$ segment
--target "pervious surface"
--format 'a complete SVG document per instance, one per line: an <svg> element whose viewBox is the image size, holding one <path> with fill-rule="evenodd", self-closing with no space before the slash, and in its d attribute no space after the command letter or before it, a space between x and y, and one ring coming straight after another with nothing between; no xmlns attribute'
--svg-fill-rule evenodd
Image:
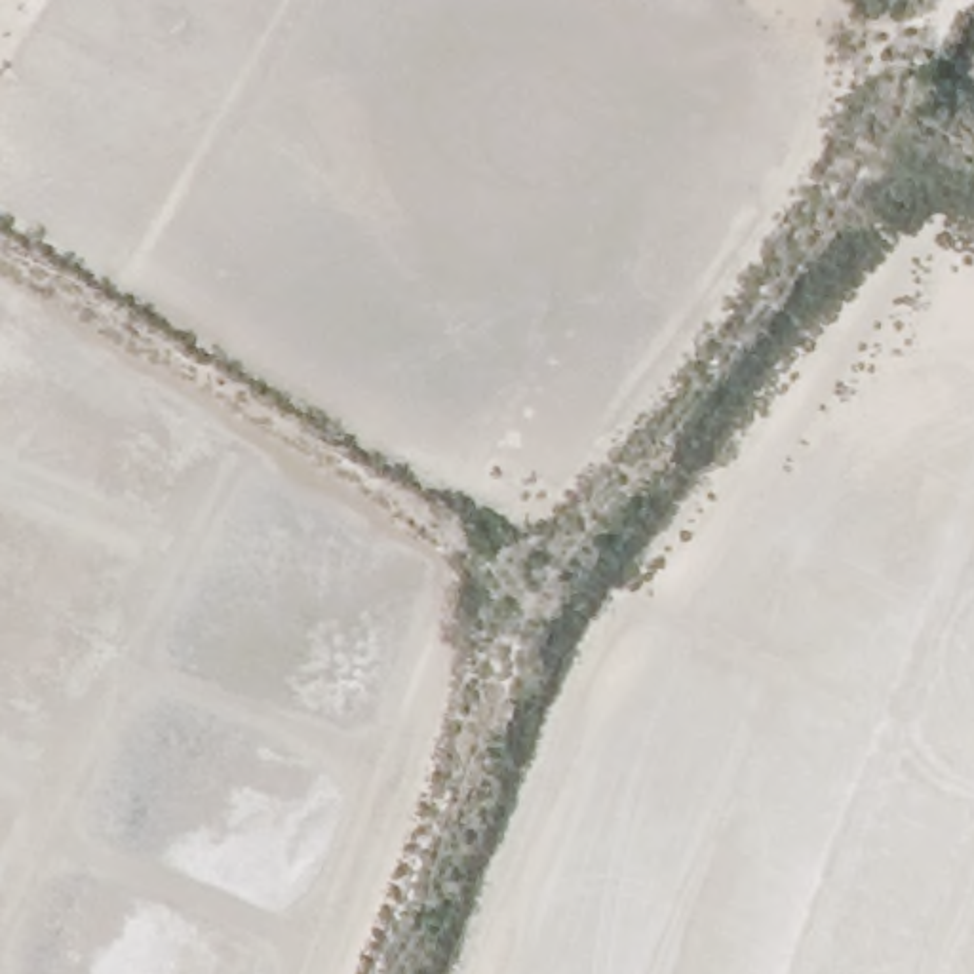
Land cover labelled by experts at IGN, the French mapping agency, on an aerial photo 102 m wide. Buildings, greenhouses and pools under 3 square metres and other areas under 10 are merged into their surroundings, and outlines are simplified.
<svg viewBox="0 0 974 974"><path fill-rule="evenodd" d="M358 974L407 833L419 826L419 799L434 776L434 757L453 692L453 647L426 616L411 609L415 594L422 590L422 563L396 555L399 540L373 533L361 510L297 487L278 468L278 460L266 449L259 449L247 434L232 434L198 399L183 396L167 380L156 380L152 373L137 373L129 365L129 354L118 354L107 342L88 342L80 327L53 320L38 297L0 278L0 974Z"/></svg>
<svg viewBox="0 0 974 974"><path fill-rule="evenodd" d="M963 251L947 251L936 244L944 232L940 213L928 217L917 232L898 236L890 251L860 282L856 297L841 304L837 320L818 331L818 346L795 350L791 361L799 369L799 380L784 396L772 396L769 415L753 419L746 430L734 430L734 457L727 464L711 464L708 472L700 472L696 487L681 498L670 525L643 548L643 586L613 590L601 613L582 632L559 696L544 715L536 753L517 788L517 807L483 871L476 913L468 917L464 944L449 974L974 974L974 263Z"/></svg>
<svg viewBox="0 0 974 974"><path fill-rule="evenodd" d="M761 263L765 240L780 232L784 209L799 202L803 186L810 186L810 167L826 145L822 122L829 114L841 114L845 95L852 91L848 61L826 65L826 49L833 46L837 27L852 11L848 0L0 0L0 213L8 213L23 232L46 228L46 240L57 251L76 255L99 278L110 278L118 289L137 293L175 327L194 331L205 350L224 350L228 358L244 361L255 377L282 388L293 403L327 411L365 449L377 449L388 460L407 464L430 487L464 491L479 506L491 506L495 514L517 525L552 517L567 491L578 487L586 468L605 464L613 449L628 441L643 415L658 411L666 396L673 396L681 365L696 358L696 346L708 342L704 327L727 320L727 301L738 297L742 274Z"/></svg>

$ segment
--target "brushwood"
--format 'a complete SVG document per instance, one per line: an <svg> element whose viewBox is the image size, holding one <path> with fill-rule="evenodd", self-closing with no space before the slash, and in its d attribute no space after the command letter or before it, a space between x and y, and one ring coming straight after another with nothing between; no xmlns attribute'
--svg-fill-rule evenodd
<svg viewBox="0 0 974 974"><path fill-rule="evenodd" d="M498 731L487 746L491 772L498 776L498 803L479 814L483 829L464 833L468 856L453 867L460 890L449 902L438 902L434 909L415 909L415 928L430 932L434 940L430 963L415 974L449 974L464 944L468 917L476 913L483 871L517 807L517 788L536 753L544 715L559 696L582 632L601 613L613 590L643 586L643 548L670 525L681 498L696 487L700 472L708 472L711 464L727 464L734 457L734 430L746 430L753 419L757 388L776 377L776 361L791 361L795 350L818 346L818 331L837 320L841 304L856 297L860 282L890 251L875 232L837 232L833 244L814 259L814 266L795 278L791 297L780 304L780 312L772 312L757 342L742 350L738 365L723 373L715 392L700 396L696 419L677 438L670 468L654 472L639 495L632 495L616 514L605 517L597 533L597 563L590 567L571 559L559 575L563 605L548 620L548 632L536 647L540 681L521 700L514 700L510 727Z"/></svg>
<svg viewBox="0 0 974 974"><path fill-rule="evenodd" d="M8 213L0 213L0 232L19 251L46 259L49 266L84 282L103 301L126 308L133 320L145 320L152 331L179 342L186 358L213 365L228 380L251 388L285 419L316 430L320 441L342 449L373 476L399 483L426 506L457 514L468 544L449 555L449 567L460 582L453 613L468 628L498 635L506 620L517 613L517 597L491 597L491 575L476 575L487 555L495 559L498 548L517 540L517 525L495 514L491 506L479 506L464 491L430 487L407 464L388 460L377 449L365 449L327 411L293 403L282 388L255 377L244 361L228 358L224 350L205 350L194 331L175 327L137 293L118 289L110 278L99 278L76 255L57 251L46 240L46 228L23 232Z"/></svg>

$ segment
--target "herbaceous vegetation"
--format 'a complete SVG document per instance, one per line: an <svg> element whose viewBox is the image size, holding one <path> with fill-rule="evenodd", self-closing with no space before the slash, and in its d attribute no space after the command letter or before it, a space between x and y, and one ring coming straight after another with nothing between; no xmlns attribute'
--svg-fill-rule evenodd
<svg viewBox="0 0 974 974"><path fill-rule="evenodd" d="M772 396L784 396L799 380L799 369L791 361L776 361L776 377L757 388L753 419L769 415Z"/></svg>
<svg viewBox="0 0 974 974"><path fill-rule="evenodd" d="M890 251L898 236L917 232L928 217L940 213L944 232L936 244L947 251L963 251L974 263L974 0L848 0L852 11L837 27L833 46L826 49L826 65L848 61L852 91L845 95L841 114L829 114L822 122L826 145L810 167L810 186L803 186L799 202L784 209L780 232L765 240L761 263L742 274L738 297L727 301L727 320L704 327L708 342L696 346L696 358L681 365L673 396L666 396L658 411L643 415L628 441L613 449L605 464L586 468L578 487L567 491L552 517L517 525L517 540L498 548L495 559L487 555L476 575L491 575L491 597L517 597L517 613L506 620L498 635L468 628L453 613L460 582L449 567L449 555L468 544L457 514L426 506L399 483L373 476L342 449L320 441L316 430L285 419L251 388L228 380L213 365L186 358L179 342L152 331L145 320L133 320L126 308L103 301L84 282L49 266L46 259L19 251L0 232L0 278L38 297L53 320L80 327L88 342L107 342L118 354L129 354L129 365L137 373L152 373L156 380L167 380L183 396L198 399L232 434L247 434L259 449L266 449L278 460L278 468L297 487L361 510L373 533L399 540L396 555L422 563L422 590L415 594L411 609L426 616L453 647L453 692L434 757L434 776L419 799L419 826L407 833L358 974L415 974L430 963L434 940L430 932L415 928L415 909L434 909L438 902L449 902L460 890L453 867L468 856L464 833L483 829L479 814L498 803L498 776L491 772L487 746L498 731L510 727L514 700L521 700L540 681L536 647L548 632L548 620L563 605L559 575L571 559L590 567L597 563L597 533L605 517L616 514L632 495L639 495L654 472L670 468L677 438L696 419L700 396L715 392L723 373L738 365L742 350L757 342L772 312L780 312L780 304L791 297L795 278L814 266L814 259L833 244L837 232L875 232Z"/></svg>

